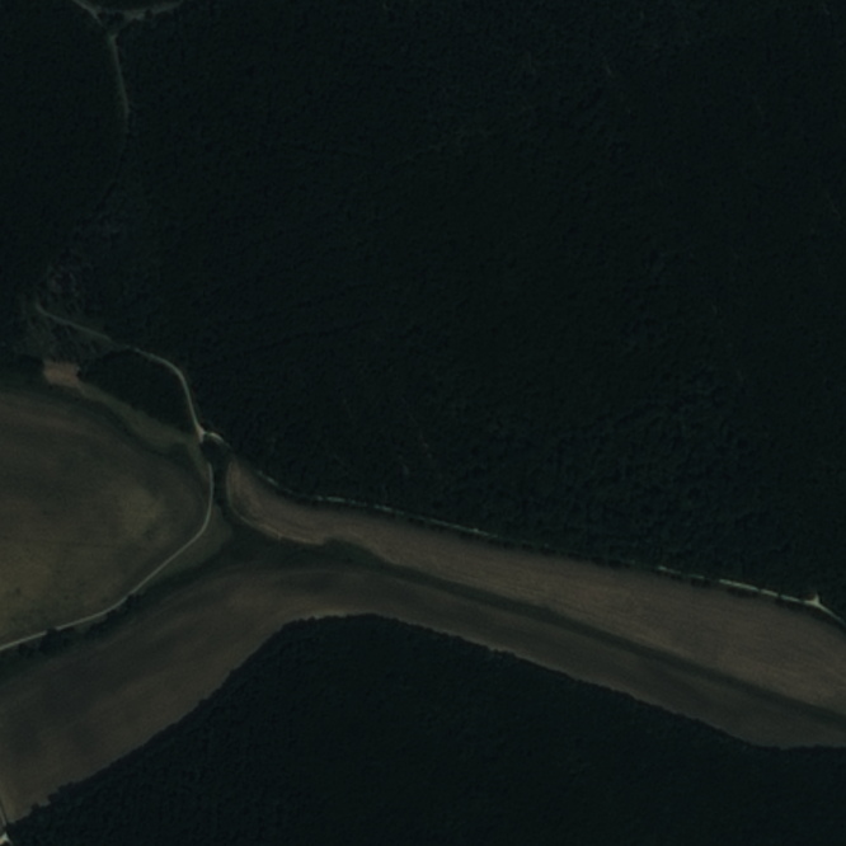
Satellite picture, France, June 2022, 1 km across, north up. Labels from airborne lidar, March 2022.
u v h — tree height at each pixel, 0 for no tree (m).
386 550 0
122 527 0
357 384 0
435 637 10
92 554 0
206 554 0
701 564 17
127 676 0
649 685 0
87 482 0
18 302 20
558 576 0
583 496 17
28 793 0
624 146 9
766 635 0
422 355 18
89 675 0
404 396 0
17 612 0
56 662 0
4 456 0
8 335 16
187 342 17
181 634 0
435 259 17
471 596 0
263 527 0
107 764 0
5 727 0
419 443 0
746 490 22
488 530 10
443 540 0
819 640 0
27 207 17
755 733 0
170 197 15
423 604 0
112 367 8
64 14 17
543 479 23
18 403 0
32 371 13
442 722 17
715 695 0
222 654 0
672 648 0
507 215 6
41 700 0
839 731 0
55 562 0
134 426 0
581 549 20
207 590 0
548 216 5
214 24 20
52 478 0
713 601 0
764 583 17
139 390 10
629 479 22
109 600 0
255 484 0
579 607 0
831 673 0
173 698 0
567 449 22
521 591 0
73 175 17
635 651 0
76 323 0
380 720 15
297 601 0
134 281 16
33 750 0
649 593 0
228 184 20
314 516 0
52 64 17
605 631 0
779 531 18
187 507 0
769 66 13
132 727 0
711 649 0
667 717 15
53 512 0
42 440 0
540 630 0
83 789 17
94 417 0
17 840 18
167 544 0
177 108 17
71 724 0
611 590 0
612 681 0
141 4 14
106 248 19
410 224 11
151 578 0
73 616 0
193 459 0
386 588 0
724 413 21
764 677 0
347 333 0
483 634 0
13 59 17
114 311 18
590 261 6
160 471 0
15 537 0
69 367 0
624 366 12
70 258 17
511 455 23
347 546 0
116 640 0
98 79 19
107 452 0
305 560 0
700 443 21
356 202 15
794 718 0
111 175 18
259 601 0
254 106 18
